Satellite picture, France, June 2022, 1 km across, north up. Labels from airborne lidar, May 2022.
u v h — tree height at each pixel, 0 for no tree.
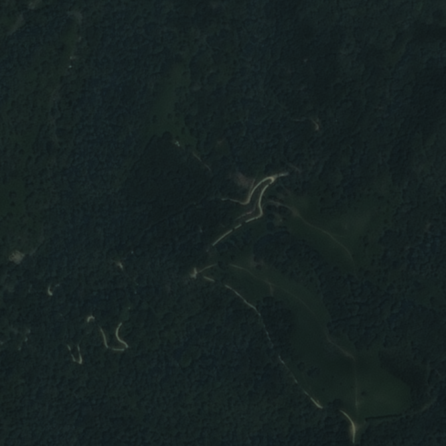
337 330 19
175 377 20
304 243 15
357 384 0
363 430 0
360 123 19
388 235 28
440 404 20
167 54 25
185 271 12
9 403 9
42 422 19
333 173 20
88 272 14
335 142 13
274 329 18
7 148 21
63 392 25
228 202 16
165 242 13
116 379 19
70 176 32
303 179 14
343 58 17
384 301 41
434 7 8
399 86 25
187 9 24
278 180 7
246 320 8
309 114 17
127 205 21
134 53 21
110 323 18
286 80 8
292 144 30
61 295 21
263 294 0
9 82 24
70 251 19
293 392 13
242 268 0
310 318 0
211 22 13
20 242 15
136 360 21
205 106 28
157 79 15
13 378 19
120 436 21
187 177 13
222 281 11
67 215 23
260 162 18
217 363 37
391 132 22
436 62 17
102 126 26
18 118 22
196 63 22
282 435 29
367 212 0
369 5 19
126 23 20
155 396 19
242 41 25
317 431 11
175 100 0
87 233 23
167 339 15
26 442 18
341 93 17
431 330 32
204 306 10
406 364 6
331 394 0
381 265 16
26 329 20
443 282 6
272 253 19
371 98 18
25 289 22
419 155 8
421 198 26
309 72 20
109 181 12
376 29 11
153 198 18
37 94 23
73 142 10
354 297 21
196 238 27
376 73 26
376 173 16
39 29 14
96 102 22
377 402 0
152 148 13
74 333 13
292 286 0
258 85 23
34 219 19
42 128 16
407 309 41
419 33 23
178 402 19
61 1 19
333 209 10
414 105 15
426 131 15
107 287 22
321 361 0
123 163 14
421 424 15
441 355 29
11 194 14
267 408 10
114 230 14
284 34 12
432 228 20
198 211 18
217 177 20
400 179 14
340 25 19
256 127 22
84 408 44
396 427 17
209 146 23
